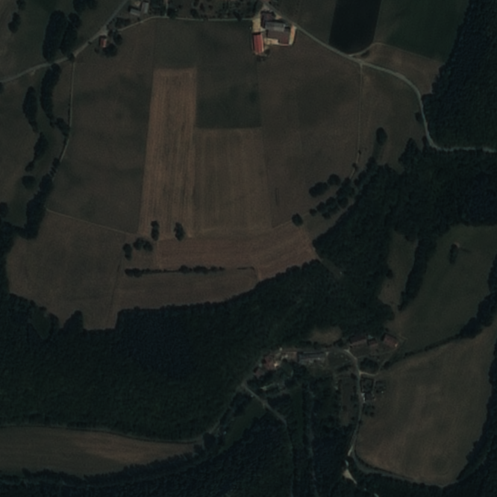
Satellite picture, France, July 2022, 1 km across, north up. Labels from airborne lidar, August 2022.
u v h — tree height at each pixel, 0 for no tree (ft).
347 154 0
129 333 60
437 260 0
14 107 0
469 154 50
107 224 0
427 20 0
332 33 0
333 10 0
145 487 59
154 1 21
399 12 0
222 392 37
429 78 0
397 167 0
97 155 0
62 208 0
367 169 49
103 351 57
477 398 0
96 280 0
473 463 88
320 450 93
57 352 54
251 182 0
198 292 0
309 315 44
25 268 0
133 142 0
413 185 75
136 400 35
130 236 0
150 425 54
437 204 49
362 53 0
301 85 0
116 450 0
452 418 0
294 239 0
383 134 63
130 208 0
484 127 44
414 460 0
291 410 47
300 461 79
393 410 0
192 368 47
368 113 0
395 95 0
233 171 0
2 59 0
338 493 73
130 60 0
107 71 0
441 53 0
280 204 0
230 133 0
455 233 0
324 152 0
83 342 59
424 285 0
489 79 55
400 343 0
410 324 0
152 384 30
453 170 34
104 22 0
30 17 0
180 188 0
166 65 0
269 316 30
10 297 51
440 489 34
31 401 39
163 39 0
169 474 54
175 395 32
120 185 0
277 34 0
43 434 0
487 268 0
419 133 0
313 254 0
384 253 46
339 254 54
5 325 41
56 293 0
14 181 0
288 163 0
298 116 0
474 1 58
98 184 0
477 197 97
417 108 0
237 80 0
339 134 0
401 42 0
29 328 61
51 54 76
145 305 0
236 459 87
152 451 0
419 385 0
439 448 0
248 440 65
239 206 0
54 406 30
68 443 0
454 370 0
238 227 0
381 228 59
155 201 0
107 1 0
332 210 57
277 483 50
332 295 37
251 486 44
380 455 0
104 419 51
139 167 0
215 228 0
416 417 0
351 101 0
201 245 0
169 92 0
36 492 33
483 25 65
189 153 0
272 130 0
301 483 66
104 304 0
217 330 57
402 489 37
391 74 0
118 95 0
